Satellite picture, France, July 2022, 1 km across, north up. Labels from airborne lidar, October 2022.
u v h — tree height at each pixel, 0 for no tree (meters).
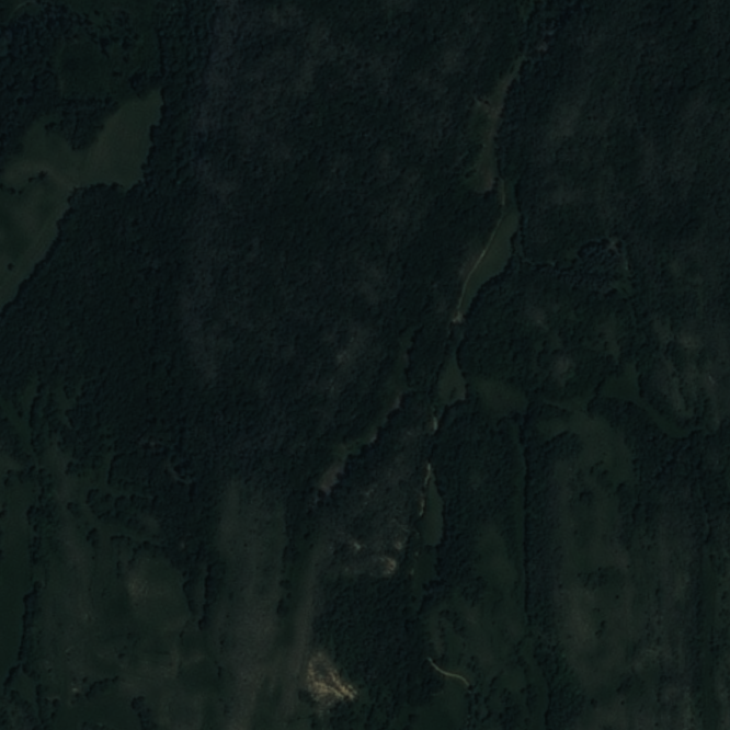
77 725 0
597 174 10
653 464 16
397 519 9
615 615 0
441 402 18
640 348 10
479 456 9
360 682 8
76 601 0
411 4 7
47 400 6
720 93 20
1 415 15
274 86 8
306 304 8
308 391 6
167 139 15
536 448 20
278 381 9
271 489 6
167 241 18
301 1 11
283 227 13
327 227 15
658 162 7
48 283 15
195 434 19
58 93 23
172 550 13
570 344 13
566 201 6
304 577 0
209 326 11
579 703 5
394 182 10
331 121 11
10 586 0
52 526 9
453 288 10
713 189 6
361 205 11
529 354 15
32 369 17
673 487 7
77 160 0
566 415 12
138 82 21
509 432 16
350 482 19
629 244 11
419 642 15
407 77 11
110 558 0
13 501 0
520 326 12
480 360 13
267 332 7
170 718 0
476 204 16
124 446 17
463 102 16
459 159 16
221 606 0
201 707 0
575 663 0
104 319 8
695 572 7
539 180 8
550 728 10
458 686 0
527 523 9
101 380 8
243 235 10
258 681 0
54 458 0
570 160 6
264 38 10
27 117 21
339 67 9
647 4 11
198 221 6
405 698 21
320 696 0
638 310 13
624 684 6
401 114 11
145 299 13
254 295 9
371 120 13
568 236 17
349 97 15
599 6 18
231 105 9
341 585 10
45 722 12
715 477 12
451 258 13
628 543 7
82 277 9
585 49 6
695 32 21
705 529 14
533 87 18
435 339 10
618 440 0
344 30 14
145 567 0
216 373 7
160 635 0
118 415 12
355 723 12
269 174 11
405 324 15
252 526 0
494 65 17
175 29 10
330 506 12
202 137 12
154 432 30
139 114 0
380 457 15
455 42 8
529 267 14
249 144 7
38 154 0
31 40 27
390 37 18
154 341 9
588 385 8
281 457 13
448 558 16
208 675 0
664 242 11
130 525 14
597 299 16
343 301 8
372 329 8
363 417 18
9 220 0
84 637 0
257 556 0
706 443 8
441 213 20
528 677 7
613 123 7
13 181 0
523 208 13
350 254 9
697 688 8
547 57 22
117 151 0
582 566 0
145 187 15
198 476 21
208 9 15
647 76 17
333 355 6
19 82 27
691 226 18
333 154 11
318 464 16
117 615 0
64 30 27
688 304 8
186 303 6
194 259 9
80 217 15
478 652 0
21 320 13
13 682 14
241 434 12
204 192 13
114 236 21
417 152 10
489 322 11
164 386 13
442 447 16
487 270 0
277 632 0
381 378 17
